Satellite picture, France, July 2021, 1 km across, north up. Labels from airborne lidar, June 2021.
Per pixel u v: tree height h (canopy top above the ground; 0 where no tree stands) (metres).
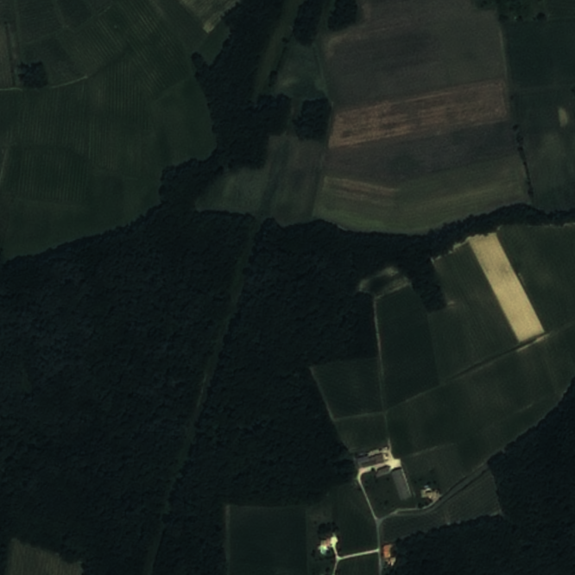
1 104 0
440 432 0
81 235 0
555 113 0
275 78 13
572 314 0
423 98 0
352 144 0
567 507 25
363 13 0
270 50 0
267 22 22
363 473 0
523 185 0
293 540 0
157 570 10
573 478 22
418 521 0
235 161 22
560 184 0
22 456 12
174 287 17
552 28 0
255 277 25
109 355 23
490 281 0
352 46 0
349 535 0
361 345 11
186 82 0
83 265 18
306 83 0
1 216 0
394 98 0
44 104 0
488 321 0
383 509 0
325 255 22
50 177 0
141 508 28
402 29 0
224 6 0
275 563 0
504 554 18
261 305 20
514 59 0
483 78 0
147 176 0
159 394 18
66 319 26
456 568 19
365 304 16
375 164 0
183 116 0
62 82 0
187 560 14
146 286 19
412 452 0
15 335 19
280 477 21
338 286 18
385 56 0
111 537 22
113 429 30
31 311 25
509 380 0
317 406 15
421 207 0
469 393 0
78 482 27
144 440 25
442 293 9
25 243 0
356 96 0
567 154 0
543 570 14
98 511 23
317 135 13
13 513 17
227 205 0
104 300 26
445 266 0
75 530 13
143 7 0
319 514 0
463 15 0
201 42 0
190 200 19
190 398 20
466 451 0
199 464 24
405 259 21
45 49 0
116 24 0
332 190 0
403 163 0
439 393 0
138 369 26
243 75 16
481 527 15
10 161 0
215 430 17
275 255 27
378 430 0
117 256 22
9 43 0
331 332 20
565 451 24
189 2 0
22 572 0
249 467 15
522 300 0
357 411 0
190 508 27
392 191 0
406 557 11
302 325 20
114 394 26
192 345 22
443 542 20
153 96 0
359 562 0
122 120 0
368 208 0
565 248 0
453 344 0
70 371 17
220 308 22
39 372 16
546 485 20
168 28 0
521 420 0
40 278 18
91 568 20
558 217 19
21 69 12
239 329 25
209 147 0
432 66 0
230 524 0
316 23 19
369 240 17
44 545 10
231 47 17
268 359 24
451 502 0
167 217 23
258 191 0
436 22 0
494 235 0
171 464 22
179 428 18
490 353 0
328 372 0
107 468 17
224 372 24
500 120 0
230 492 18
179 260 17
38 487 17
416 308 0
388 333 0
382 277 0
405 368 0
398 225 0
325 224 14
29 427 12
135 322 16
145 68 0
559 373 0
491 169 0
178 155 0
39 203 0
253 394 27
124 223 0
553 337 0
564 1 0
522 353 0
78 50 0
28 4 0
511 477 18
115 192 0
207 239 24
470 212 0
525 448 19
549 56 0
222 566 20
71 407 23
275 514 0
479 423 0
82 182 0
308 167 0
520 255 0
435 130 0
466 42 0
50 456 23
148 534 24
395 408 0
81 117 0
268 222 12
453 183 0
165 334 25
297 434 21
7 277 18
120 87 0
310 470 23
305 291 22
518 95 0
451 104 0
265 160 13
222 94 16
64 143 0
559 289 0
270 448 15
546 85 0
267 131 17
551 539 14
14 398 20
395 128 0
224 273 16
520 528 20
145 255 22
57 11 0
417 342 0
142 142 0
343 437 0
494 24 0
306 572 0
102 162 0
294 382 16
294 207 0
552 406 0
